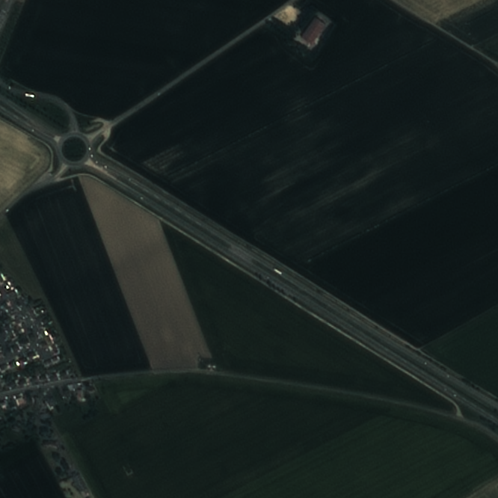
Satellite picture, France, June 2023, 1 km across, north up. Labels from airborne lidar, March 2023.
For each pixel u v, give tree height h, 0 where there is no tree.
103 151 0
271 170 0
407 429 0
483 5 0
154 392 0
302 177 0
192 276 0
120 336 0
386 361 0
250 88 0
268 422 0
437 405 0
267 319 0
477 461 0
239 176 0
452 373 0
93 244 0
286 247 0
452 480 0
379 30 0
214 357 0
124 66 0
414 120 0
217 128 0
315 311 0
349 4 0
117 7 0
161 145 0
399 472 0
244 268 0
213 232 0
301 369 0
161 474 0
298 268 0
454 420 0
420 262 0
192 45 0
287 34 10
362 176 0
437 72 0
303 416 0
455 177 0
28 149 0
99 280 0
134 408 0
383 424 0
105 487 0
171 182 0
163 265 0
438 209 0
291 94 0
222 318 0
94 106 0
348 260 0
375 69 0
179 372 0
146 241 0
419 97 0
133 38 0
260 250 0
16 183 0
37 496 0
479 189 0
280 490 0
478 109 0
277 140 0
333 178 0
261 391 0
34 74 0
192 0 0
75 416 0
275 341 0
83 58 0
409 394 0
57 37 0
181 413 0
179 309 0
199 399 0
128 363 0
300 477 0
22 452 0
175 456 0
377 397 0
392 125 0
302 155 0
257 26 0
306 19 15
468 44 0
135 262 0
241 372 0
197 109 0
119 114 0
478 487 0
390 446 0
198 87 0
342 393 0
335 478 0
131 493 0
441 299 0
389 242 0
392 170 0
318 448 0
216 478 0
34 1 0
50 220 0
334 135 0
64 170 0
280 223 0
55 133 0
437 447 0
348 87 0
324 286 0
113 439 0
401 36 0
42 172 0
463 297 0
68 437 0
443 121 0
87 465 0
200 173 0
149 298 0
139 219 0
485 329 0
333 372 0
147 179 0
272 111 0
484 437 0
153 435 0
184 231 0
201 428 0
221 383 0
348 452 0
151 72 0
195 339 0
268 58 0
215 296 0
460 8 0
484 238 0
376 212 0
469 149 0
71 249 0
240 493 0
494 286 0
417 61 0
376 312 0
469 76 0
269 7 0
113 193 0
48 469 0
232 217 0
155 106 0
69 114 0
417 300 0
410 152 0
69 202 0
